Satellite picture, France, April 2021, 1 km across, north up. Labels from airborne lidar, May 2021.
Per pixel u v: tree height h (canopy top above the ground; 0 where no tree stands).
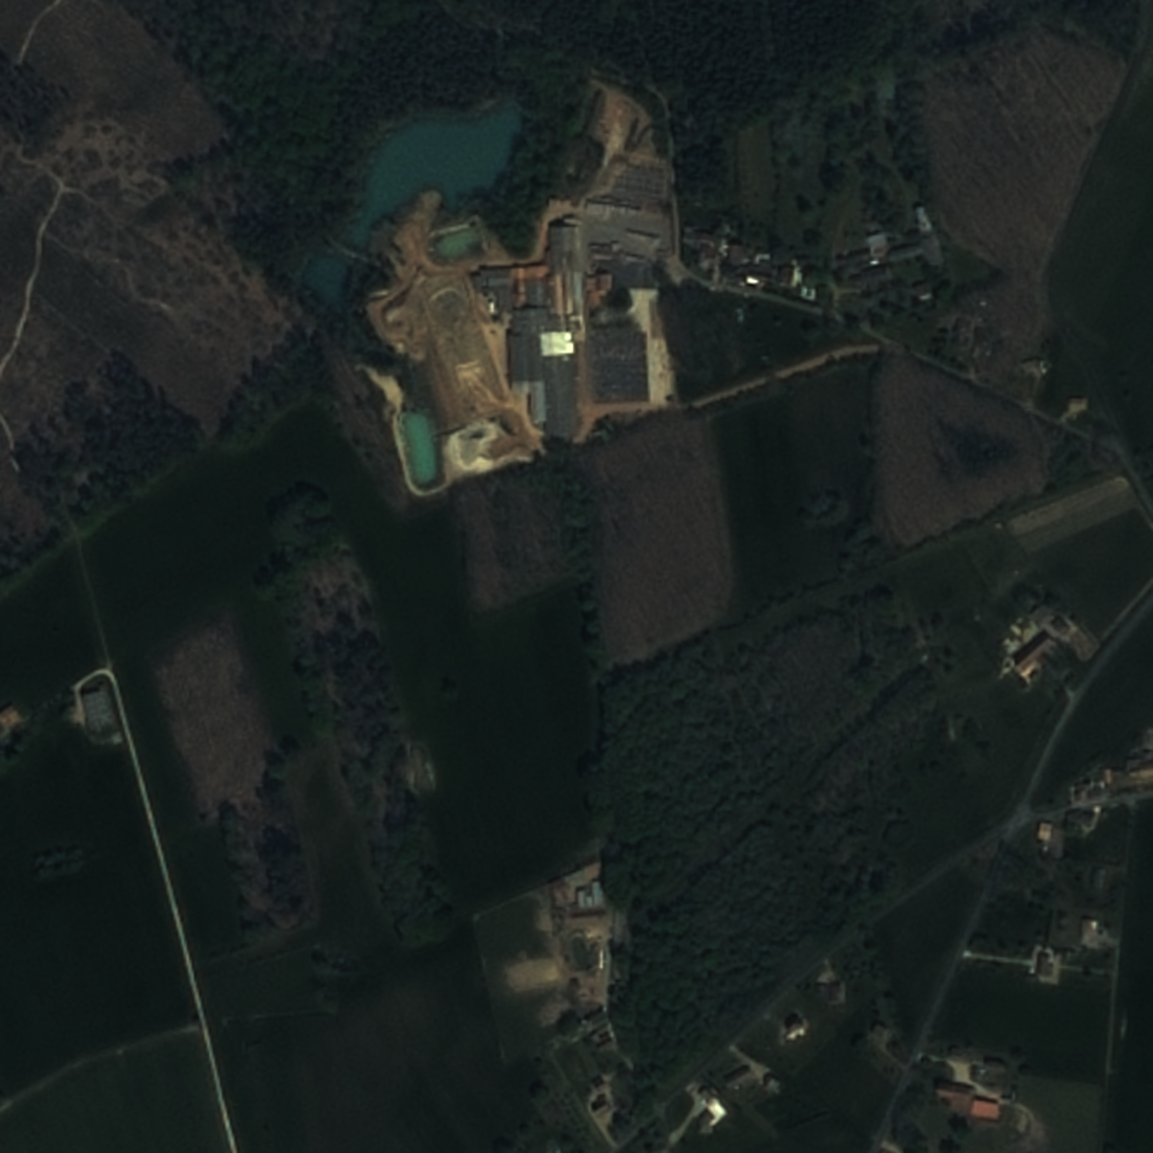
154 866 0
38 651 0
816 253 14
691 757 8
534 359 0
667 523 24
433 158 0
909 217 0
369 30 16
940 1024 0
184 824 0
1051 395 0
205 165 10
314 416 0
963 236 20
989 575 0
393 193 0
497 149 0
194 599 0
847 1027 0
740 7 19
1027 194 21
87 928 0
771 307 0
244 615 0
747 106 19
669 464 20
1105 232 0
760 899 7
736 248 0
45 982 0
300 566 21
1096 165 0
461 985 0
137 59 0
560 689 0
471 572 17
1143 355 0
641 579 23
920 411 22
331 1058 0
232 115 10
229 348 0
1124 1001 0
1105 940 0
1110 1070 0
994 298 21
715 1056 0
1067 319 0
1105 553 0
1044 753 0
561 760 0
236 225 13
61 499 16
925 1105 17
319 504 19
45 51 0
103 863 0
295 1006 0
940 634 11
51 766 0
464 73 19
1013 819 0
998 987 0
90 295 0
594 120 0
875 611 14
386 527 0
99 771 0
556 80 17
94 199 0
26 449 0
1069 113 19
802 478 0
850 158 15
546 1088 10
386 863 24
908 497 22
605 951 0
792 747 11
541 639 0
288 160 24
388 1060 0
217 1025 0
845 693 15
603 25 20
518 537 20
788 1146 0
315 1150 0
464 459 0
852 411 0
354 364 19
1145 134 0
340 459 0
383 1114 0
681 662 14
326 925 0
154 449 27
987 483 22
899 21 14
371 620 12
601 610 17
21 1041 0
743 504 0
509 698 0
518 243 17
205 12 15
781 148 18
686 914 9
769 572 0
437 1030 0
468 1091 0
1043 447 21
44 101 18
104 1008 0
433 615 0
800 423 0
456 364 0
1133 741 0
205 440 13
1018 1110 0
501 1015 0
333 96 16
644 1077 14
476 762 0
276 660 0
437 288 0
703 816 10
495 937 0
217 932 0
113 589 0
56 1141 0
